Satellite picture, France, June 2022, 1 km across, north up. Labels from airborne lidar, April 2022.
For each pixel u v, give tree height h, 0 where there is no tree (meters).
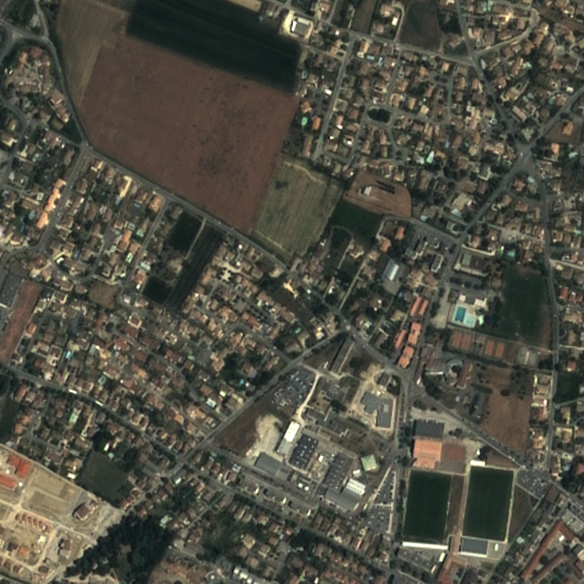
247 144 0
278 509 0
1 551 0
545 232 0
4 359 0
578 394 7
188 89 0
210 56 0
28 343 11
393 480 0
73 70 0
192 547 0
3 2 0
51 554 0
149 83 0
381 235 7
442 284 0
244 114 0
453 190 10
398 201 0
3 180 0
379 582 0
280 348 9
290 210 0
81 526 0
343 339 11
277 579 7
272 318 0
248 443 0
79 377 6
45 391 8
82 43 0
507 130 8
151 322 6
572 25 0
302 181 0
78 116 0
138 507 8
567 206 0
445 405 0
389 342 12
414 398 0
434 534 0
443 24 9
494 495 0
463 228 8
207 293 0
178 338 0
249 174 0
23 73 0
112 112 0
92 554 18
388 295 13
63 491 0
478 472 0
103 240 0
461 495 0
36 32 8
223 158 0
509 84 14
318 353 9
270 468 0
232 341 0
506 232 0
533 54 11
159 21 0
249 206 0
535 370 0
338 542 0
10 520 0
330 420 0
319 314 13
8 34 0
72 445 7
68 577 11
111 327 6
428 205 5
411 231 10
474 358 10
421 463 0
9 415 0
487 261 14
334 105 0
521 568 0
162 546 15
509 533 0
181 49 0
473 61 0
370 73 0
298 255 0
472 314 0
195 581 0
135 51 0
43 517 0
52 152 7
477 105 10
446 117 0
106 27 0
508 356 0
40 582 0
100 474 0
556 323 0
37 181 9
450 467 0
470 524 0
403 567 9
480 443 0
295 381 0
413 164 12
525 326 0
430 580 10
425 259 15
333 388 0
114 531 20
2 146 9
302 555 14
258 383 9
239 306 0
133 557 24
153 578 0
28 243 6
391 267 0
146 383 0
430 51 0
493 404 0
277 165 0
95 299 0
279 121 0
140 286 0
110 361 0
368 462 0
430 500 0
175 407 0
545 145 6
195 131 0
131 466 11
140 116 0
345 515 0
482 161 10
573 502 0
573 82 9
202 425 0
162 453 13
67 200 0
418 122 7
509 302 0
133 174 0
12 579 0
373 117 11
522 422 0
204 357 0
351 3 6
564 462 0
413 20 0
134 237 6
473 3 7
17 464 0
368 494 0
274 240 0
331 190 0
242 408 0
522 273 0
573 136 0
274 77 0
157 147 0
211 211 0
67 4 0
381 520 0
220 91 0
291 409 0
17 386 13
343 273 8
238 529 6
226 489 0
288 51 0
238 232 0
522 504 0
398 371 0
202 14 0
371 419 0
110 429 0
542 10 0
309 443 0
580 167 12
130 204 0
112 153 0
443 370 0
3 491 0
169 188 0
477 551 0
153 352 7
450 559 0
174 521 0
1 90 0
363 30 0
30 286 0
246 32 0
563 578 10
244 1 0
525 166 0
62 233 0
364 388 0
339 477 0
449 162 7
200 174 0
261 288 6
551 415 0
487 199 6
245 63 0
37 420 0
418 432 0
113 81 0
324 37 9
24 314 0
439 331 12
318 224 0
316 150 0
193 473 12
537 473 0
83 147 0
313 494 0
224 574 0
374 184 0
